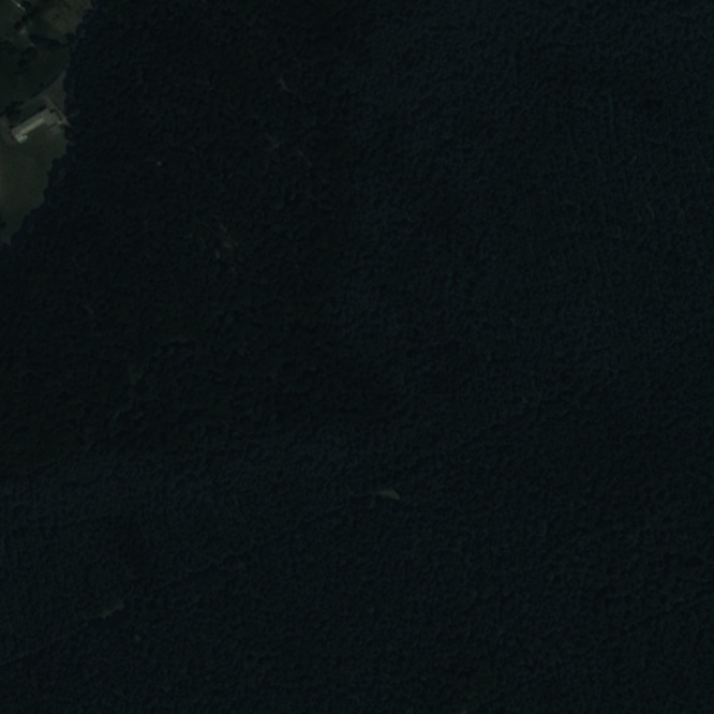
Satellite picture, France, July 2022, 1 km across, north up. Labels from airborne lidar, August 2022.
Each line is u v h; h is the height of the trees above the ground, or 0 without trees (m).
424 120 23
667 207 25
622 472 18
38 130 0
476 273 11
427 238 17
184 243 25
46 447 27
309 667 20
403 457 16
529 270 22
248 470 24
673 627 23
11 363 32
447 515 21
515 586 22
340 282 24
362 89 25
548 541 22
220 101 21
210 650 15
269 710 20
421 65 25
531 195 17
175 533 24
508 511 24
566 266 23
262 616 23
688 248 23
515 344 21
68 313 27
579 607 16
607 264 15
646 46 19
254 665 16
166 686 21
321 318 28
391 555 22
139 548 15
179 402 20
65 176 20
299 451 17
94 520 17
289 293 29
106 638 27
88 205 23
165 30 30
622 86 9
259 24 27
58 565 25
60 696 19
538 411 18
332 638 23
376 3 22
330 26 24
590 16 19
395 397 18
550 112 16
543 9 23
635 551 26
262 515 9
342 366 28
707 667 20
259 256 23
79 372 27
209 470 22
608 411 16
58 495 23
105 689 25
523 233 17
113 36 30
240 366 22
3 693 18
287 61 26
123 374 24
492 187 18
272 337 24
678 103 21
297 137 28
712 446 25
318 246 28
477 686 22
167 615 25
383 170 24
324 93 28
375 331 21
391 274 26
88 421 30
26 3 10
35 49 8
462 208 19
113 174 26
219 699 20
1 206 0
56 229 27
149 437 27
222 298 26
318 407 26
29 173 0
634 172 22
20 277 31
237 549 20
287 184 24
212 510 22
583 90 20
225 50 26
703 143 22
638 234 23
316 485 13
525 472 17
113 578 21
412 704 24
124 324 27
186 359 27
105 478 23
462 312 19
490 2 25
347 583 26
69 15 0
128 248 24
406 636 19
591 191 21
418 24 21
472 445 20
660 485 18
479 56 22
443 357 20
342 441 16
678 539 26
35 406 28
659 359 24
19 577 23
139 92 27
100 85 29
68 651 24
